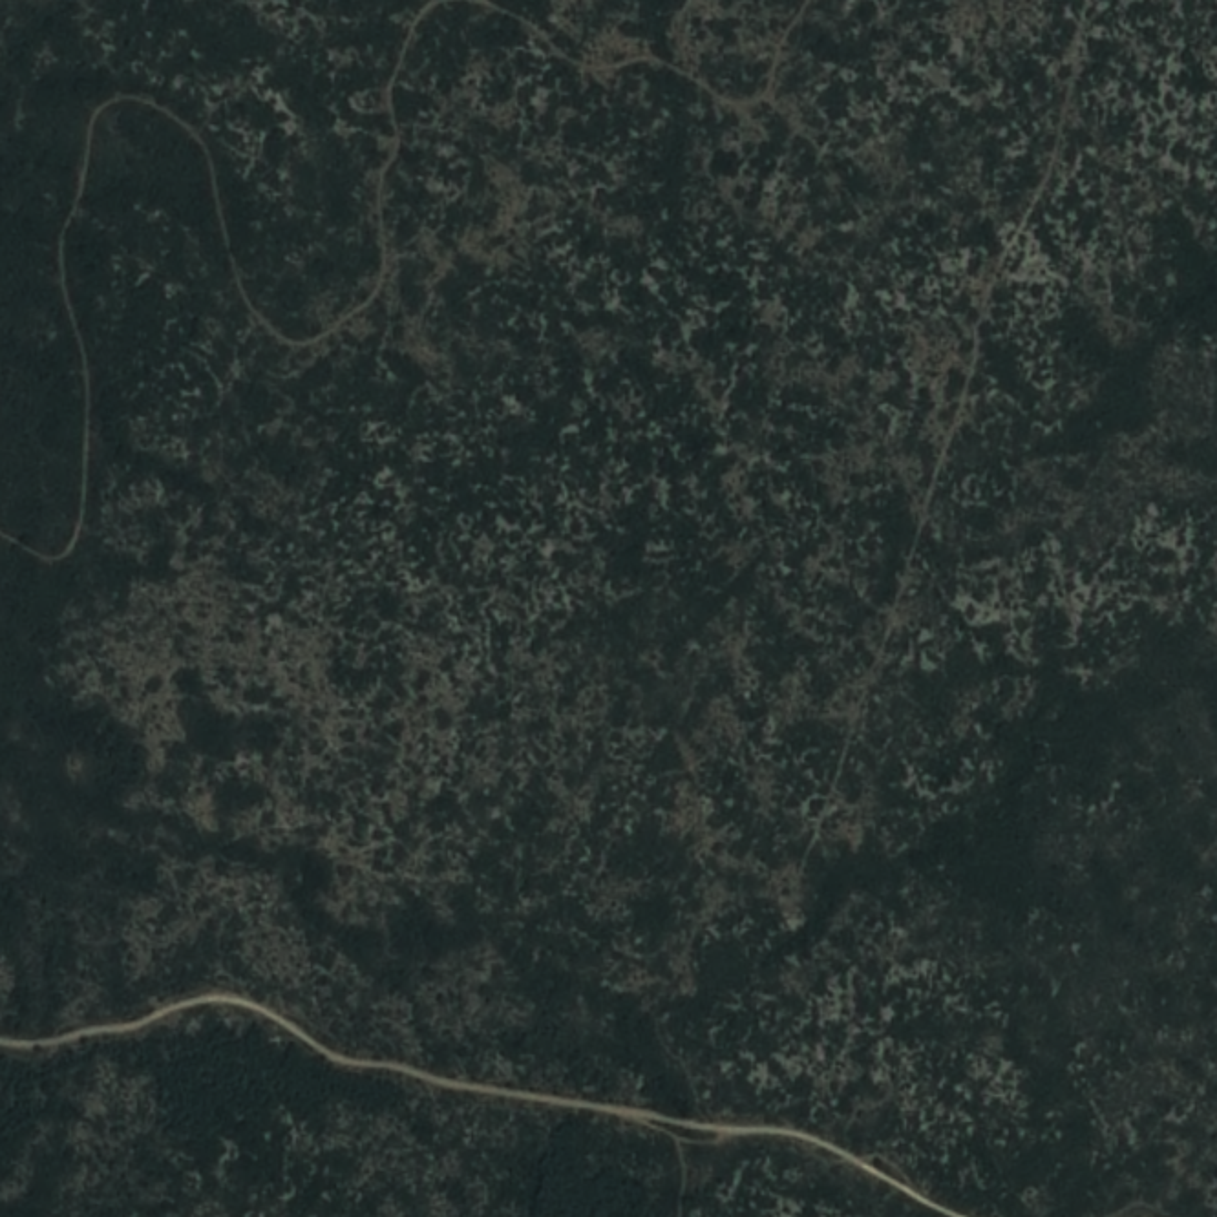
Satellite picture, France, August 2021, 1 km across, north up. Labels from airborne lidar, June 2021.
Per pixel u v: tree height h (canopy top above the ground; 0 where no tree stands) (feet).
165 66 0
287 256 0
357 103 0
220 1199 0
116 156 0
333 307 0
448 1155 0
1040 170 0
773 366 0
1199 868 0
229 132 0
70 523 0
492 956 0
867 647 0
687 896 0
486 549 0
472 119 0
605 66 0
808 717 0
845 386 0
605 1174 24
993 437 0
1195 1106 0
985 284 0
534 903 0
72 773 0
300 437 0
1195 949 0
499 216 0
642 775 0
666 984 0
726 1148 0
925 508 0
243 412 0
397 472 0
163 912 0
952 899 0
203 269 0
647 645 0
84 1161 0
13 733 0
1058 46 0
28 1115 23
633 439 0
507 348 0
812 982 0
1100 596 0
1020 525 0
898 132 0
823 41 19
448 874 0
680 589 0
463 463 0
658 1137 0
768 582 0
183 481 19
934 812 0
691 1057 0
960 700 0
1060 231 0
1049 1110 0
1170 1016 0
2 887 24
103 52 0
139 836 0
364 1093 24
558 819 0
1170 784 0
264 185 0
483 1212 0
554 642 0
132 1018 0
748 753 0
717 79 0
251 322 0
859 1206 0
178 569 0
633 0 0
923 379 0
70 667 0
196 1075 21
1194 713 0
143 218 0
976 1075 0
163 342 0
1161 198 0
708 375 0
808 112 0
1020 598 0
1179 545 0
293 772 0
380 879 0
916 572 0
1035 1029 0
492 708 0
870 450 0
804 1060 0
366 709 0
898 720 0
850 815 0
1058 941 0
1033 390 0
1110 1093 0
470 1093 0
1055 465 0
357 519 0
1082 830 0
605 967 0
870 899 0
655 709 0
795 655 0
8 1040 0
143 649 0
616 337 0
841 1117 0
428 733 0
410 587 0
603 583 0
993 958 0
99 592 0
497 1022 0
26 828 0
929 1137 0
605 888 0
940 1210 0
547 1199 31
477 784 0
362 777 0
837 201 0
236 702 0
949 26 0
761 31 0
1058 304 0
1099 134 0
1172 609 0
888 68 0
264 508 0
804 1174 0
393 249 0
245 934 0
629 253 0
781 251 0
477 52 0
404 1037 0
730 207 0
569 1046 0
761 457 0
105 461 0
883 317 0
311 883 24
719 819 0
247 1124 22
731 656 0
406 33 0
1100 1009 0
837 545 0
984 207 0
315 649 0
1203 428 0
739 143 0
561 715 0
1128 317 0
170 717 0
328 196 0
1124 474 0
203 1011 0
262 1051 19
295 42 0
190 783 0
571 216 0
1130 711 0
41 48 0
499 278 0
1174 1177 0
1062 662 0
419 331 0
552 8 0
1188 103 0
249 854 21
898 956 0
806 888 0
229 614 0
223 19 0
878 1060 0
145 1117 0
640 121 0
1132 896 0
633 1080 0
